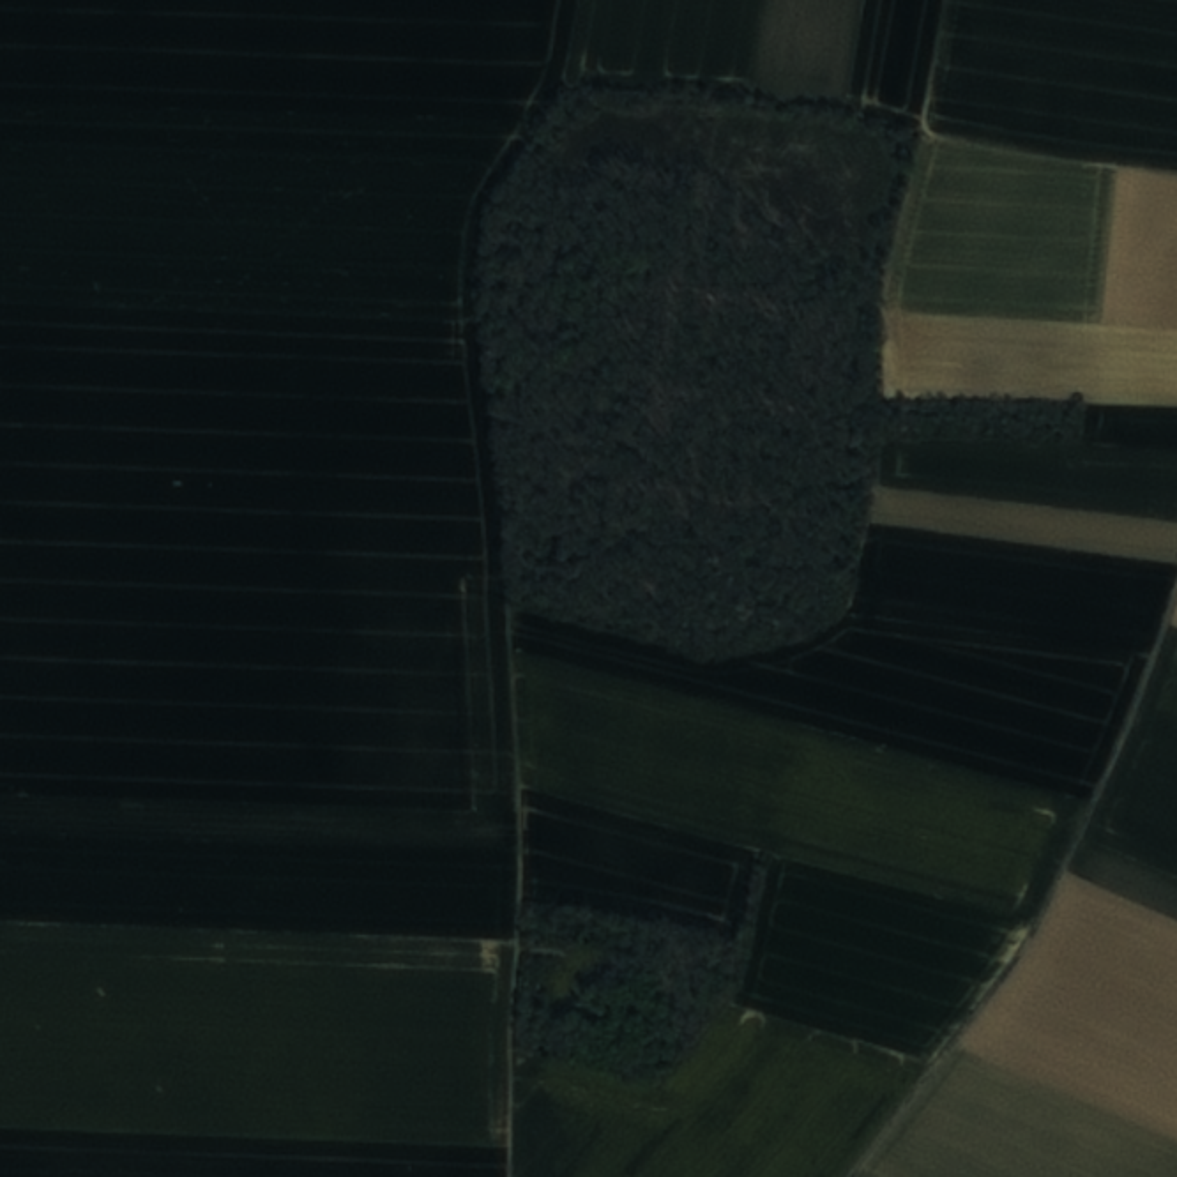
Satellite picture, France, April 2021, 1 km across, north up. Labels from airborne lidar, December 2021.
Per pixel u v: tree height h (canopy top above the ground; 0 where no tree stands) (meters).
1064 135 0
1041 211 0
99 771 0
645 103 10
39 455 0
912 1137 0
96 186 0
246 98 0
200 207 0
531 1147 0
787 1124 0
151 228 0
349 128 0
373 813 0
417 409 0
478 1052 0
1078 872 0
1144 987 0
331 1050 0
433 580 0
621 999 22
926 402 10
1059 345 0
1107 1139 0
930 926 0
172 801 0
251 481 0
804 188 0
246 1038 0
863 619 0
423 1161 0
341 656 0
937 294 0
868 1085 0
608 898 0
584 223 26
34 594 0
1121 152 0
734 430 23
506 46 0
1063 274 0
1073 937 0
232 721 0
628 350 25
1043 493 0
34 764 0
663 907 0
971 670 0
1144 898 0
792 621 18
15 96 0
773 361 27
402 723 0
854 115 13
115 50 0
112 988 0
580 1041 20
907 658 0
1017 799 0
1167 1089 0
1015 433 12
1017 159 0
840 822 0
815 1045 0
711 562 22
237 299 0
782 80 0
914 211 0
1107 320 0
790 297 25
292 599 0
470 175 0
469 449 0
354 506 0
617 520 24
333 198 0
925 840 0
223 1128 0
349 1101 0
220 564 0
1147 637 0
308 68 0
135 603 0
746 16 0
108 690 0
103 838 0
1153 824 0
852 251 0
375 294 0
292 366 0
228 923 0
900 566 0
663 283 25
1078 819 0
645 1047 22
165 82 0
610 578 24
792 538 23
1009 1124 0
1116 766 0
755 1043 0
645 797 0
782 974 0
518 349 21
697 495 24
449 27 0
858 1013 0
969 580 0
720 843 0
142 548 0
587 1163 0
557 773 0
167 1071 0
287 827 0
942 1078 0
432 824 0
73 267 0
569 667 0
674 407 27
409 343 0
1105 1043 0
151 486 0
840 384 22
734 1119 0
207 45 0
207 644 0
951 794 0
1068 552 0
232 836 0
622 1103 0
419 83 0
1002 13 0
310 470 0
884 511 0
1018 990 0
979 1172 0
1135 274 0
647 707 0
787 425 23
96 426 0
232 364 0
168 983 0
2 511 0
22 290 0
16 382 0
